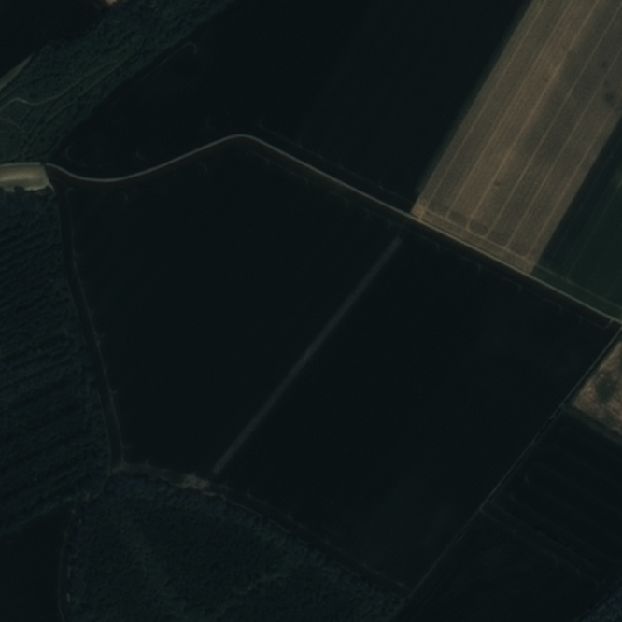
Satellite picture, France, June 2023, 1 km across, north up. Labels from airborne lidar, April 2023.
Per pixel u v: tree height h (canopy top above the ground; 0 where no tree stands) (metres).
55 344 13
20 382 13
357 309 0
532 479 0
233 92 0
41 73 6
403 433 0
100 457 17
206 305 0
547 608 0
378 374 0
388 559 0
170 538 16
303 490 0
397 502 0
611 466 0
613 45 0
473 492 0
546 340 0
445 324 0
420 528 0
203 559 16
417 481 0
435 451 0
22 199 23
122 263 0
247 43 0
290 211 0
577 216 0
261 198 0
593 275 0
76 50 12
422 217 0
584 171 0
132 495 17
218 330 0
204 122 0
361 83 0
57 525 0
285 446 0
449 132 0
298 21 0
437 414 0
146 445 0
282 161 0
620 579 0
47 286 16
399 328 0
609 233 0
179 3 13
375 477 0
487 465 0
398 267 0
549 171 0
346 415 0
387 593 13
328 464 0
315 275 0
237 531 17
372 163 0
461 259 0
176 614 13
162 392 0
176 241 0
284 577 14
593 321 0
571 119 0
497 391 0
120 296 0
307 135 0
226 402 0
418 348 0
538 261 0
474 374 0
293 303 0
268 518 12
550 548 0
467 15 0
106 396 0
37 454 15
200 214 0
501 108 0
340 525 0
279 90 0
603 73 0
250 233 0
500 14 0
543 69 0
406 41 0
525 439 0
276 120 0
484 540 0
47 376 14
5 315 16
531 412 0
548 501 0
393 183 0
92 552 14
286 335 0
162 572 19
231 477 0
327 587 17
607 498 0
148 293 0
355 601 13
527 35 0
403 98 0
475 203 0
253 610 18
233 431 0
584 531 0
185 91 0
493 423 0
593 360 0
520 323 0
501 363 0
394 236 0
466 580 0
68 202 0
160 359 0
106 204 0
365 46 0
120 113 0
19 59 0
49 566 0
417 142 0
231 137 0
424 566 0
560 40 0
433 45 0
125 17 22
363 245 0
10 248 13
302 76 0
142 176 0
